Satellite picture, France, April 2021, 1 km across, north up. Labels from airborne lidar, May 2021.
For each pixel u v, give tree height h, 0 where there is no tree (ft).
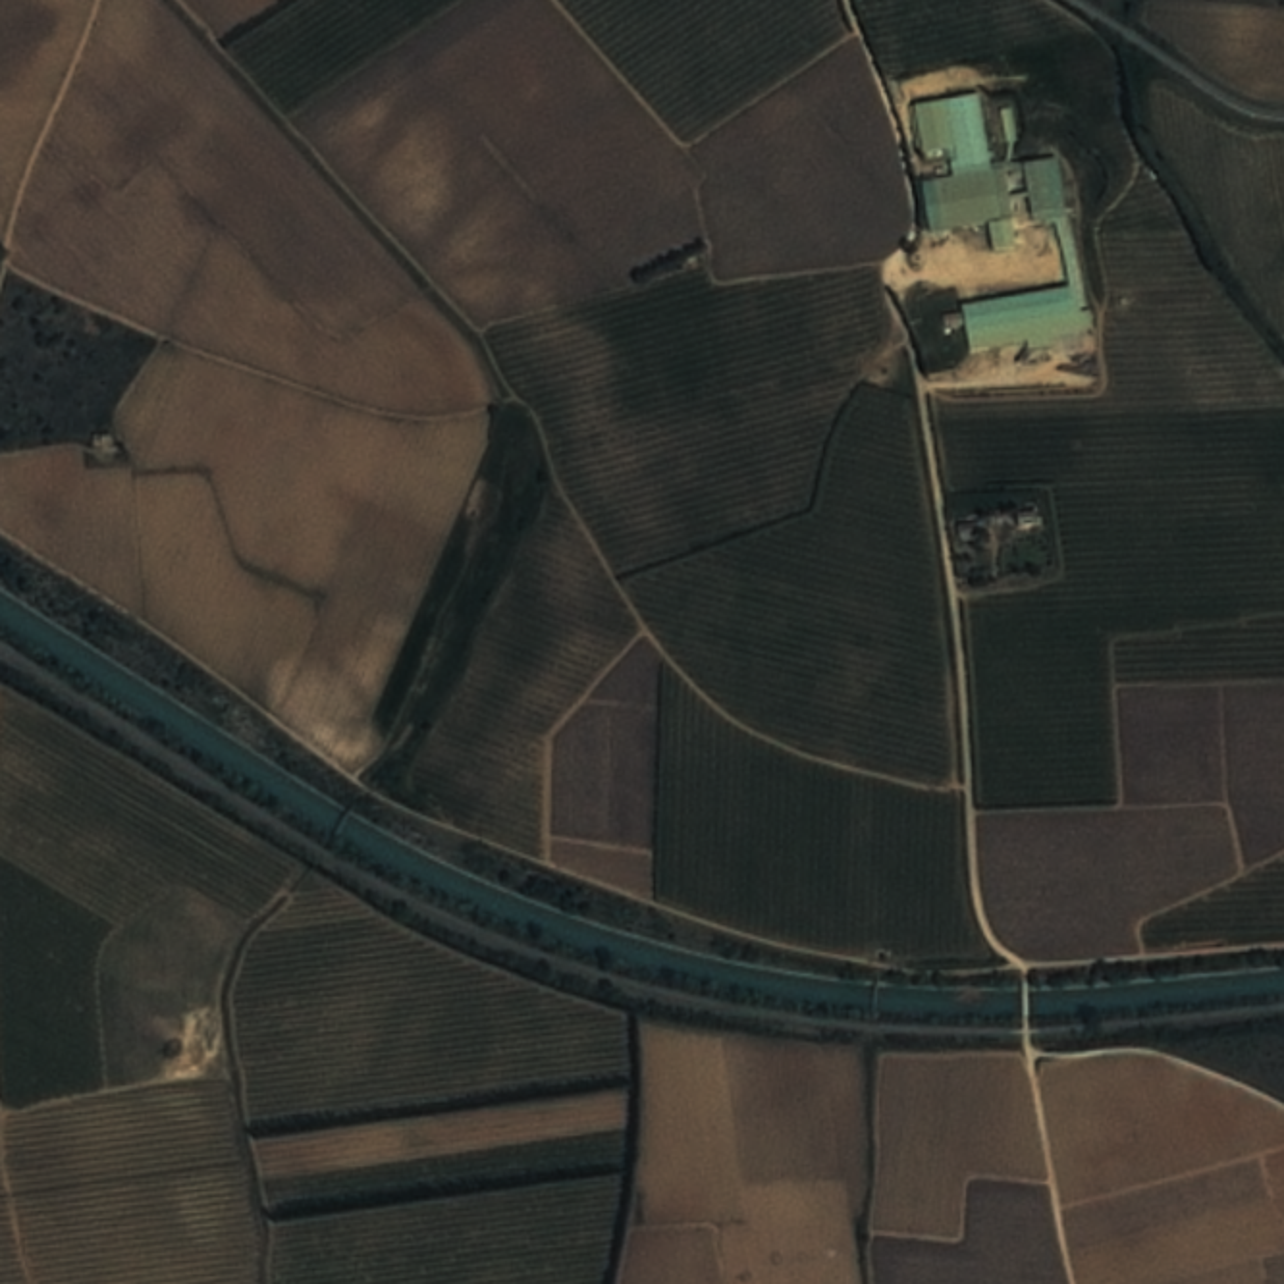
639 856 0
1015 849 0
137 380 0
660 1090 0
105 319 0
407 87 0
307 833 24
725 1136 0
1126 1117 0
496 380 0
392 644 0
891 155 0
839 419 21
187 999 0
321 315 0
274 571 0
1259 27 0
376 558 0
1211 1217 0
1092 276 0
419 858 0
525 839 0
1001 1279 0
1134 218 0
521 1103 63
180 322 0
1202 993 0
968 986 26
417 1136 0
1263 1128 0
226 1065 0
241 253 0
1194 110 0
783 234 0
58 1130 0
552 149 0
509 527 0
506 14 0
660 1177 0
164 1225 0
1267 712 0
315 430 0
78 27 0
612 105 0
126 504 0
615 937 0
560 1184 56
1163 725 0
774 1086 0
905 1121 0
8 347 0
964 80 0
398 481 0
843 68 0
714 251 0
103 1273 0
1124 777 0
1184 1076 0
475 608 0
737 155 0
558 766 0
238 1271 0
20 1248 0
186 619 0
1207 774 0
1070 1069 0
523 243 0
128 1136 0
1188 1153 0
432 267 0
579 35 0
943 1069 0
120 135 0
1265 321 20
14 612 0
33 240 0
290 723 0
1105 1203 0
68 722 60
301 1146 0
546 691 0
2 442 46
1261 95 0
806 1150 0
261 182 0
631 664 0
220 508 0
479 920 30
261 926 0
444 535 0
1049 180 0
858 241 0
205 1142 0
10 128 0
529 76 0
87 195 0
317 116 0
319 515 0
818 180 0
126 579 0
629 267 0
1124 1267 0
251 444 0
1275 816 0
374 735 0
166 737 47
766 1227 0
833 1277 0
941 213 0
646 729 0
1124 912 0
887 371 0
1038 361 0
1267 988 0
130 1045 0
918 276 0
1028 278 0
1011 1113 0
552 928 0
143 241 0
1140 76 31
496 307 0
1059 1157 0
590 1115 0
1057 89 0
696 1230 0
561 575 0
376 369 0
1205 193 0
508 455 0
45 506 0
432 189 0
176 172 0
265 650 0
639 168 0
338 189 0
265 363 0
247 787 29
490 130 0
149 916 0
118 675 0
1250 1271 0
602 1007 47
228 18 0
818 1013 30
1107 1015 26
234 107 0
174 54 0
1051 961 0
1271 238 0
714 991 33
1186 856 0
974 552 25
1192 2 0
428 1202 72
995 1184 0
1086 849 0
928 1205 0
